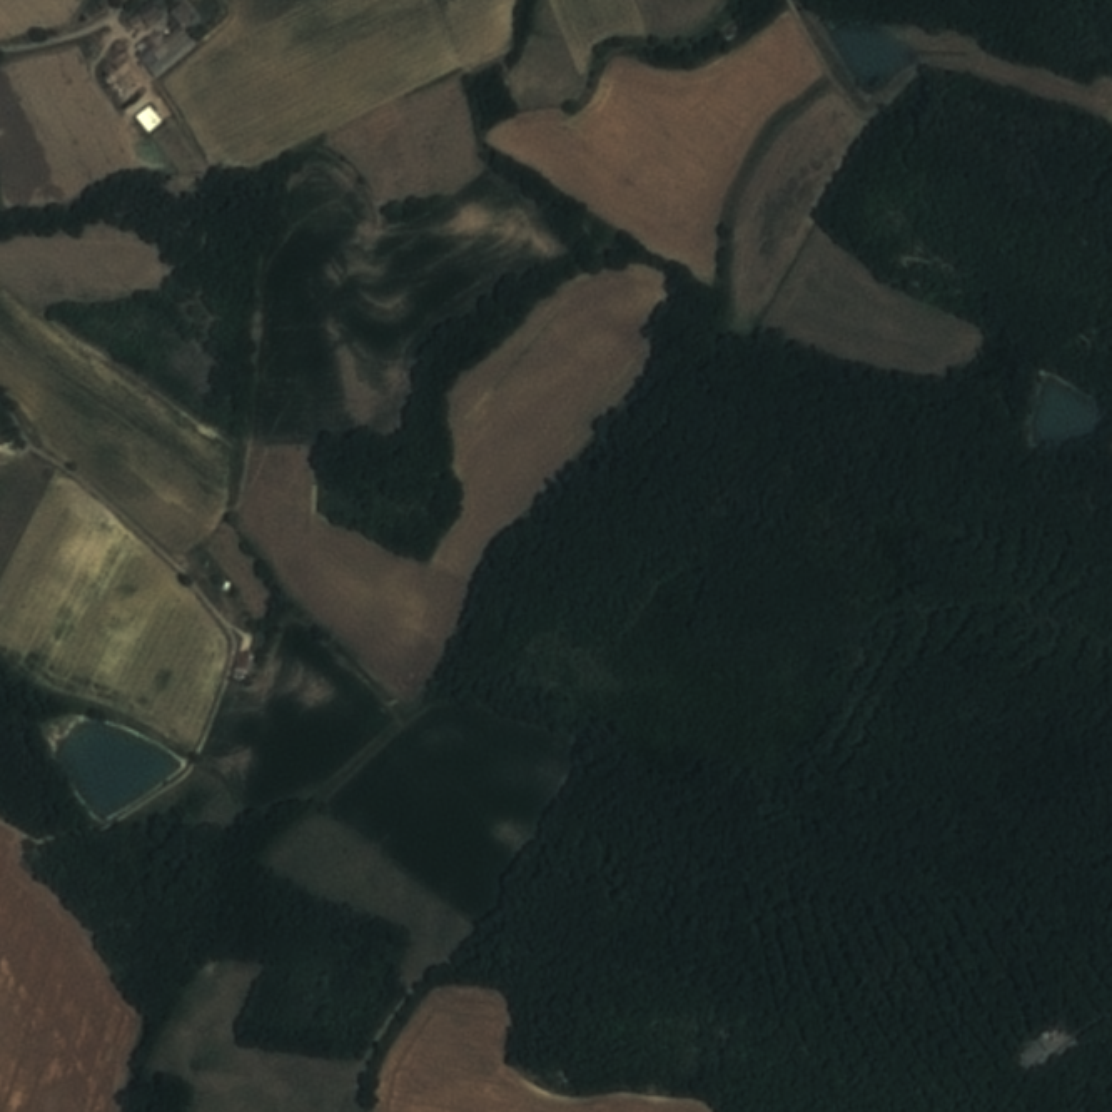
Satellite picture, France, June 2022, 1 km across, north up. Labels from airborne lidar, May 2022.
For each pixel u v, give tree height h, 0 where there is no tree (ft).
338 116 0
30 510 0
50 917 0
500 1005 0
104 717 31
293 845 0
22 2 0
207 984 0
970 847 59
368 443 61
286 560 0
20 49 0
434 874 0
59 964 0
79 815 60
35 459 0
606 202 0
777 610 39
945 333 0
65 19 0
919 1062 45
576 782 44
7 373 0
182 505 0
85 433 0
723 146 0
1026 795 47
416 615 0
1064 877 49
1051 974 66
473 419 0
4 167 0
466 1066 0
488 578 69
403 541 60
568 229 56
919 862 69
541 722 42
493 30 0
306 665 0
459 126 0
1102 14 51
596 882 69
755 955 85
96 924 40
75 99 0
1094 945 33
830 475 76
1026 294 55
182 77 0
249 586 0
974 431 60
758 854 63
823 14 65
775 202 0
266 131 0
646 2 0
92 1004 0
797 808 41
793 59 0
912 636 61
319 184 0
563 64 0
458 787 0
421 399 59
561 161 0
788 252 0
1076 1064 50
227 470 0
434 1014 0
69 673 0
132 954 52
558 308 0
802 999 57
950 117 60
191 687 0
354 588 0
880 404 76
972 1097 47
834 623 31
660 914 49
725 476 60
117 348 27
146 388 0
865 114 0
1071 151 60
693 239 0
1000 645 55
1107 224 61
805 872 70
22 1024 0
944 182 34
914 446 65
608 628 44
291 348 0
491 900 0
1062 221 47
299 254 0
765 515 52
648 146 0
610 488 91
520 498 0
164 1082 71
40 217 42
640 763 25
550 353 0
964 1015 64
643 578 64
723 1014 43
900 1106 51
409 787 0
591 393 0
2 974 0
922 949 61
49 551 0
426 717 0
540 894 56
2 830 0
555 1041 43
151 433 0
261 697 0
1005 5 59
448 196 0
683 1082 26
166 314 40
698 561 57
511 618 47
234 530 0
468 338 67
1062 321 54
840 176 50
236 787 0
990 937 75
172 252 43
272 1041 55
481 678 39
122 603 0
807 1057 37
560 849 61
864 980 72
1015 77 0
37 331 0
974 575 51
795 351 56
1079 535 66
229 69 0
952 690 70
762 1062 28
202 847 69
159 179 47
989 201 48
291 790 0
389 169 0
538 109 0
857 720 45
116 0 42
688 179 0
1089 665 53
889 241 36
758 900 63
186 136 0
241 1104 0
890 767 64
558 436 0
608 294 0
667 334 77
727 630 38
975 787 75
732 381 79
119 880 51
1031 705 62
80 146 0
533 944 67
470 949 32
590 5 0
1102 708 58
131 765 0
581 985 48
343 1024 18
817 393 94
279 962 36
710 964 65
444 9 0
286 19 0
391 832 0
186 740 0
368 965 26
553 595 64
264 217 69
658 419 86
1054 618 35
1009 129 69
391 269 0
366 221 0
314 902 23
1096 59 24
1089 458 42
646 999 43
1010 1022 54
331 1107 0
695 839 62
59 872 35
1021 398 41
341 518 42
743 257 0
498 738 0
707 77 0
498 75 43
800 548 47
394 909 0
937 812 70
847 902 44
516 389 0
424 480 41
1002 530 57
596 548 70
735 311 0
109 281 0
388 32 0
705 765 49
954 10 63
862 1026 59
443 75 0
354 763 0
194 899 48
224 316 30
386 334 0
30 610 0
